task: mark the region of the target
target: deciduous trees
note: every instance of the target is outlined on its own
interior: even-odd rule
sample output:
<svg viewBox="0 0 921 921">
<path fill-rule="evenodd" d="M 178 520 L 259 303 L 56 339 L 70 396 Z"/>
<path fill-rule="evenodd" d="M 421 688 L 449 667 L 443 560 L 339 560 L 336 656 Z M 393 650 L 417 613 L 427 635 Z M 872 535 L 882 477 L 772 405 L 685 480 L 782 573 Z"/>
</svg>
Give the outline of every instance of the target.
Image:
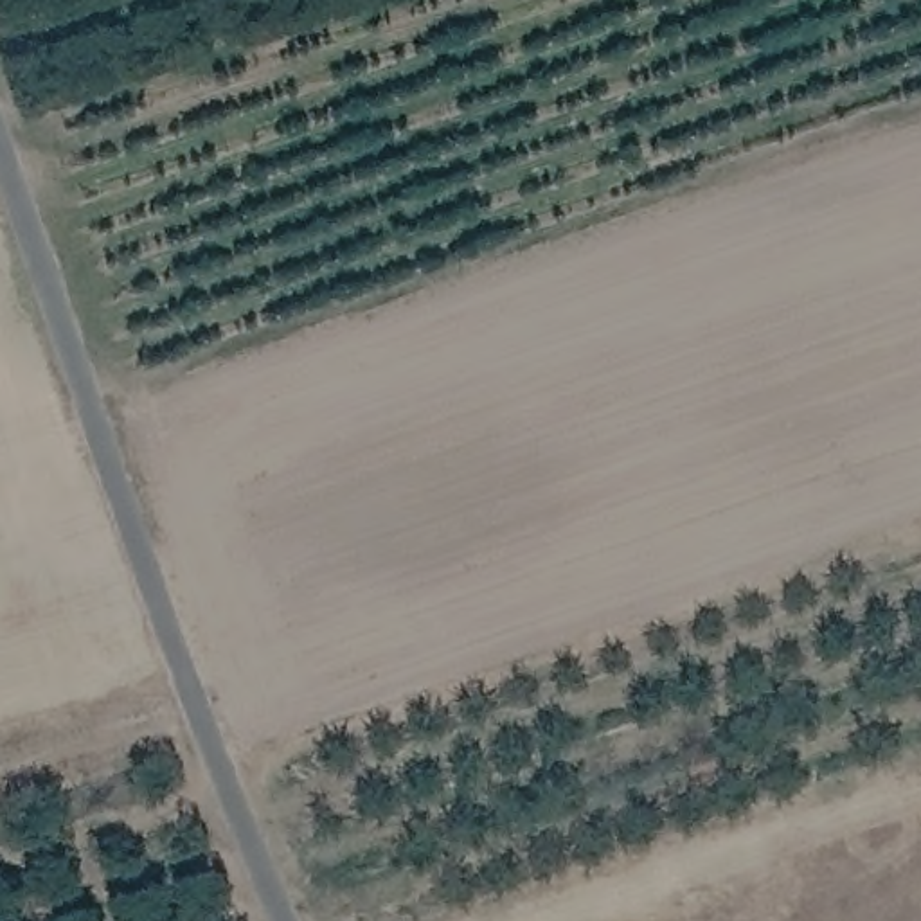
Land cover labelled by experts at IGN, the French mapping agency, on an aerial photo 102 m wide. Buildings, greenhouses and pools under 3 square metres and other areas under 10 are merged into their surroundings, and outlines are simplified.
<svg viewBox="0 0 921 921">
<path fill-rule="evenodd" d="M 176 112 L 169 119 L 169 130 L 176 133 L 191 122 L 291 94 L 299 90 L 299 83 L 284 76 L 248 94 L 216 97 L 187 112 Z"/>
<path fill-rule="evenodd" d="M 101 11 L 119 14 L 126 0 L 0 0 L 0 40 L 47 32 L 54 25 L 68 25 Z"/>
<path fill-rule="evenodd" d="M 756 626 L 770 615 L 766 597 L 748 590 L 738 597 L 738 619 L 745 626 Z"/>
<path fill-rule="evenodd" d="M 791 61 L 817 58 L 824 47 L 820 40 L 813 40 L 741 61 L 738 68 L 720 76 L 720 86 L 738 86 Z"/>
<path fill-rule="evenodd" d="M 845 43 L 871 40 L 881 29 L 896 29 L 910 18 L 921 18 L 921 0 L 892 0 L 889 14 L 871 14 L 867 22 L 842 29 Z"/>
<path fill-rule="evenodd" d="M 378 248 L 385 241 L 381 230 L 363 227 L 324 248 L 255 266 L 245 277 L 219 281 L 212 288 L 183 288 L 155 309 L 133 309 L 126 327 L 162 324 L 191 309 L 194 302 L 209 306 L 263 288 L 270 277 L 288 277 L 349 252 Z"/>
<path fill-rule="evenodd" d="M 392 216 L 392 227 L 428 230 L 443 227 L 461 209 L 489 205 L 489 194 L 461 191 L 421 212 Z"/>
<path fill-rule="evenodd" d="M 615 183 L 612 194 L 666 187 L 676 176 L 694 176 L 705 162 L 702 155 L 691 155 Z"/>
<path fill-rule="evenodd" d="M 640 155 L 637 133 L 622 133 L 597 155 L 597 165 L 630 162 Z"/>
<path fill-rule="evenodd" d="M 407 720 L 392 723 L 385 712 L 374 712 L 367 723 L 374 752 L 392 756 L 403 734 L 435 738 L 446 730 L 446 712 L 439 705 L 432 705 L 428 698 L 414 698 L 407 705 Z"/>
<path fill-rule="evenodd" d="M 601 40 L 597 47 L 568 50 L 561 58 L 518 65 L 514 72 L 504 72 L 486 86 L 461 90 L 457 104 L 475 104 L 511 86 L 550 79 L 586 61 L 615 58 L 619 50 L 648 43 L 644 32 L 622 29 L 622 7 L 630 0 L 572 0 L 572 14 L 525 29 L 522 47 L 558 40 L 561 32 L 572 32 L 590 18 L 604 25 L 608 40 Z"/>
<path fill-rule="evenodd" d="M 223 871 L 165 878 L 162 885 L 151 885 L 133 896 L 108 892 L 108 899 L 94 903 L 94 910 L 68 914 L 61 921 L 223 921 L 234 914 L 230 878 Z"/>
<path fill-rule="evenodd" d="M 201 245 L 194 252 L 176 252 L 169 263 L 180 273 L 191 266 L 209 266 L 216 259 L 245 255 L 248 248 L 263 248 L 291 234 L 313 230 L 324 219 L 335 223 L 356 212 L 371 212 L 396 198 L 410 198 L 425 183 L 475 176 L 529 151 L 579 140 L 590 130 L 586 122 L 579 122 L 543 130 L 532 140 L 518 140 L 507 148 L 489 148 L 478 158 L 457 158 L 439 169 L 417 169 L 381 191 L 345 198 L 338 205 L 313 205 L 295 219 L 281 219 L 259 234 L 241 234 L 230 245 Z"/>
<path fill-rule="evenodd" d="M 183 356 L 187 349 L 205 345 L 219 335 L 219 327 L 201 324 L 194 331 L 180 331 L 162 342 L 140 345 L 137 360 L 165 363 Z"/>
<path fill-rule="evenodd" d="M 601 115 L 601 130 L 698 97 L 694 86 L 680 86 L 662 97 L 622 101 L 619 108 Z"/>
<path fill-rule="evenodd" d="M 691 25 L 658 36 L 658 58 L 651 58 L 640 68 L 630 68 L 626 83 L 655 79 L 680 65 L 720 58 L 741 43 L 756 43 L 781 29 L 795 29 L 806 18 L 824 18 L 838 0 L 720 0 L 709 14 L 694 18 Z"/>
<path fill-rule="evenodd" d="M 288 317 L 299 309 L 327 306 L 331 299 L 353 299 L 374 284 L 403 281 L 414 270 L 432 270 L 496 248 L 511 234 L 536 227 L 536 212 L 486 219 L 457 234 L 450 245 L 428 245 L 414 255 L 396 255 L 381 266 L 345 270 L 313 281 L 302 291 L 266 302 L 266 317 Z"/>
<path fill-rule="evenodd" d="M 101 856 L 104 881 L 137 878 L 151 863 L 148 853 L 126 856 L 112 845 Z"/>
<path fill-rule="evenodd" d="M 529 694 L 540 691 L 532 673 L 511 673 L 496 687 L 471 680 L 457 691 L 457 698 L 468 720 L 482 720 L 496 705 L 525 705 Z"/>
<path fill-rule="evenodd" d="M 802 612 L 817 597 L 817 590 L 806 576 L 799 576 L 791 576 L 784 586 L 784 608 Z"/>
<path fill-rule="evenodd" d="M 356 741 L 349 730 L 338 730 L 327 730 L 317 745 L 324 766 L 342 773 L 356 759 Z"/>
<path fill-rule="evenodd" d="M 162 802 L 183 781 L 180 756 L 155 756 L 144 763 L 130 759 L 122 770 L 130 788 L 148 806 Z"/>
<path fill-rule="evenodd" d="M 863 565 L 849 558 L 831 561 L 827 583 L 831 594 L 842 597 L 856 590 Z"/>
<path fill-rule="evenodd" d="M 525 881 L 547 881 L 561 874 L 572 863 L 601 863 L 619 849 L 644 849 L 658 838 L 658 831 L 694 835 L 709 817 L 741 817 L 763 795 L 788 802 L 795 795 L 809 777 L 863 766 L 881 766 L 896 759 L 903 745 L 899 723 L 889 723 L 892 705 L 907 698 L 921 702 L 921 590 L 910 590 L 903 601 L 892 604 L 885 597 L 867 597 L 863 619 L 827 612 L 817 622 L 820 658 L 838 662 L 849 648 L 860 648 L 863 655 L 849 684 L 835 694 L 820 694 L 813 680 L 788 680 L 791 669 L 802 662 L 795 637 L 781 637 L 773 648 L 738 648 L 727 658 L 730 712 L 712 720 L 712 730 L 720 734 L 720 741 L 709 752 L 709 759 L 716 759 L 716 777 L 684 777 L 684 791 L 666 788 L 651 799 L 644 791 L 633 791 L 619 813 L 586 809 L 579 781 L 583 763 L 565 763 L 565 748 L 583 734 L 601 734 L 619 723 L 651 723 L 673 705 L 691 709 L 712 698 L 709 662 L 687 658 L 676 644 L 673 626 L 658 622 L 648 626 L 648 633 L 648 648 L 655 655 L 666 651 L 680 666 L 680 673 L 644 673 L 637 684 L 630 684 L 626 705 L 583 716 L 572 716 L 565 709 L 543 709 L 532 723 L 504 723 L 496 738 L 482 748 L 478 741 L 461 738 L 450 756 L 410 759 L 403 766 L 403 777 L 410 784 L 396 791 L 392 781 L 378 770 L 356 781 L 356 809 L 367 820 L 385 820 L 399 802 L 410 806 L 410 820 L 403 824 L 403 835 L 392 849 L 392 867 L 425 871 L 446 907 L 464 907 L 478 892 L 514 892 Z M 817 727 L 835 723 L 838 712 L 853 716 L 856 730 L 849 734 L 849 745 L 827 756 L 799 759 L 795 738 L 817 734 Z"/>
<path fill-rule="evenodd" d="M 586 680 L 579 658 L 558 655 L 554 666 L 558 687 L 579 691 Z"/>
<path fill-rule="evenodd" d="M 245 194 L 234 205 L 205 209 L 183 223 L 169 223 L 155 234 L 155 241 L 162 245 L 291 201 L 317 187 L 331 187 L 338 180 L 378 173 L 381 165 L 410 158 L 428 144 L 471 140 L 532 119 L 536 108 L 532 101 L 525 101 L 475 122 L 446 122 L 435 130 L 417 130 L 410 140 L 399 144 L 392 140 L 392 130 L 407 126 L 407 115 L 392 115 L 385 97 L 414 94 L 450 68 L 468 72 L 500 58 L 500 29 L 486 22 L 475 29 L 453 29 L 428 47 L 417 47 L 417 68 L 410 72 L 349 86 L 313 104 L 284 108 L 277 119 L 277 133 L 302 126 L 309 119 L 335 115 L 331 133 L 234 158 L 230 165 L 212 169 L 205 180 L 194 183 L 169 183 L 151 198 L 133 201 L 126 209 L 126 219 L 158 212 L 180 198 L 212 194 L 223 183 L 245 183 L 255 169 L 281 169 L 309 155 L 345 148 L 353 162 L 317 169 L 302 180 L 259 194 Z"/>
<path fill-rule="evenodd" d="M 18 112 L 43 115 L 47 108 L 76 104 L 79 112 L 68 119 L 72 130 L 144 104 L 148 79 L 165 76 L 173 54 L 205 43 L 209 36 L 241 36 L 248 47 L 284 40 L 281 54 L 291 58 L 324 43 L 335 18 L 356 14 L 363 29 L 378 29 L 381 22 L 389 22 L 399 0 L 151 0 L 130 29 L 97 29 L 90 36 L 76 36 L 25 58 L 4 58 L 4 76 Z"/>
<path fill-rule="evenodd" d="M 4 878 L 0 878 L 0 921 L 22 921 L 32 914 L 50 914 L 58 903 L 86 892 L 86 885 L 79 874 L 79 856 L 72 849 L 68 791 L 61 788 L 61 777 L 47 788 L 25 788 L 18 795 L 0 788 L 0 824 L 4 824 L 4 831 L 7 831 L 11 845 L 18 845 L 18 849 L 22 849 L 22 856 L 25 856 L 22 863 L 14 863 L 14 867 L 18 867 L 18 878 L 11 878 L 11 881 L 4 881 Z"/>
<path fill-rule="evenodd" d="M 813 72 L 795 86 L 781 86 L 756 101 L 712 108 L 698 119 L 666 126 L 651 137 L 651 148 L 669 148 L 676 140 L 723 130 L 727 122 L 748 119 L 784 101 L 802 101 L 824 94 L 827 86 L 842 86 L 921 58 L 921 43 L 874 54 L 845 68 Z"/>
<path fill-rule="evenodd" d="M 698 640 L 720 640 L 720 608 L 705 604 L 691 619 Z"/>
</svg>

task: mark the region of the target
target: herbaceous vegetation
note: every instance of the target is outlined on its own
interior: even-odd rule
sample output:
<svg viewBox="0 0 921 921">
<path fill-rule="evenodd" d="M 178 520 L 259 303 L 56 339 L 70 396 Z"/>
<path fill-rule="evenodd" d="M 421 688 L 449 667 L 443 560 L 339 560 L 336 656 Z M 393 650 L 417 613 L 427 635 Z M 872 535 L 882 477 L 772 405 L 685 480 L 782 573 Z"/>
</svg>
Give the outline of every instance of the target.
<svg viewBox="0 0 921 921">
<path fill-rule="evenodd" d="M 140 464 L 130 464 L 122 471 L 126 493 L 133 500 L 148 543 L 158 536 L 158 522 L 148 500 L 148 478 Z"/>
<path fill-rule="evenodd" d="M 809 777 L 795 795 L 802 806 L 845 799 L 856 791 L 856 773 L 863 766 Z"/>
<path fill-rule="evenodd" d="M 899 723 L 903 745 L 896 759 L 903 770 L 921 773 L 921 702 L 907 698 L 892 705 L 889 723 Z"/>
<path fill-rule="evenodd" d="M 144 763 L 155 756 L 180 756 L 183 781 L 162 802 L 148 806 L 130 788 L 122 770 L 130 759 Z M 216 795 L 216 784 L 209 777 L 173 669 L 165 662 L 151 676 L 112 687 L 101 698 L 65 702 L 0 720 L 0 788 L 18 795 L 25 788 L 47 788 L 61 777 L 61 788 L 68 791 L 72 849 L 79 856 L 79 874 L 86 885 L 86 892 L 58 903 L 50 914 L 32 914 L 22 921 L 61 921 L 68 914 L 94 910 L 94 903 L 108 899 L 108 892 L 133 896 L 151 885 L 162 885 L 165 878 L 223 871 L 230 878 L 234 914 L 223 921 L 270 921 L 245 867 L 245 856 L 237 849 L 237 838 L 230 831 L 230 820 L 223 813 L 223 802 Z M 137 878 L 104 881 L 101 856 L 112 845 L 126 856 L 148 853 L 151 863 Z"/>
<path fill-rule="evenodd" d="M 349 716 L 338 730 L 349 730 L 356 741 L 356 759 L 342 773 L 324 766 L 317 745 L 284 759 L 281 773 L 266 788 L 252 784 L 245 795 L 245 806 L 255 820 L 255 831 L 266 845 L 266 856 L 277 871 L 277 881 L 288 896 L 295 921 L 453 921 L 464 907 L 446 907 L 425 871 L 392 867 L 392 849 L 403 835 L 403 824 L 410 820 L 410 806 L 399 802 L 385 820 L 367 820 L 356 809 L 356 781 L 378 770 L 392 781 L 396 791 L 410 784 L 403 777 L 403 766 L 410 759 L 450 756 L 461 738 L 478 741 L 482 748 L 496 738 L 504 723 L 532 723 L 543 709 L 565 709 L 572 716 L 583 716 L 626 705 L 630 684 L 637 684 L 644 673 L 680 673 L 680 666 L 666 651 L 655 655 L 648 648 L 648 633 L 637 633 L 626 644 L 612 640 L 601 651 L 579 658 L 586 680 L 579 691 L 558 687 L 554 666 L 532 673 L 540 691 L 529 694 L 525 705 L 496 705 L 482 720 L 468 720 L 457 698 L 439 705 L 446 712 L 446 730 L 435 738 L 403 734 L 392 756 L 374 752 L 367 723 L 363 716 Z"/>
<path fill-rule="evenodd" d="M 720 903 L 702 907 L 694 917 L 662 921 L 921 921 L 921 817 L 849 831 L 831 845 L 795 853 L 795 874 L 788 881 L 770 885 L 766 878 L 756 878 L 745 881 L 738 892 L 723 892 Z"/>
<path fill-rule="evenodd" d="M 0 824 L 0 878 L 4 878 L 4 881 L 11 881 L 11 878 L 18 878 L 18 867 L 14 867 L 14 863 L 22 863 L 25 856 L 22 856 L 22 849 L 18 849 L 18 845 L 11 845 L 7 831 L 4 831 L 4 824 Z"/>
<path fill-rule="evenodd" d="M 795 738 L 799 759 L 827 756 L 849 745 L 849 734 L 856 730 L 853 716 L 838 712 L 835 723 L 817 727 L 817 734 Z"/>
<path fill-rule="evenodd" d="M 630 0 L 622 7 L 622 29 L 644 32 L 648 43 L 619 50 L 615 58 L 586 61 L 550 79 L 511 86 L 475 104 L 457 104 L 461 90 L 486 86 L 504 72 L 514 72 L 518 65 L 561 58 L 568 50 L 597 47 L 601 40 L 608 40 L 604 25 L 590 18 L 572 32 L 561 32 L 558 40 L 522 47 L 525 29 L 572 14 L 572 0 L 399 0 L 389 22 L 381 22 L 378 29 L 363 29 L 356 14 L 335 18 L 324 43 L 291 58 L 281 54 L 284 40 L 248 47 L 241 36 L 209 36 L 205 43 L 173 54 L 165 76 L 148 79 L 144 104 L 72 130 L 68 119 L 79 112 L 76 104 L 47 108 L 43 115 L 18 112 L 4 76 L 4 58 L 25 58 L 76 36 L 90 36 L 97 29 L 130 29 L 151 0 L 126 0 L 119 14 L 101 11 L 68 25 L 54 25 L 47 32 L 0 40 L 0 119 L 18 173 L 25 180 L 36 227 L 54 263 L 58 288 L 115 453 L 130 443 L 122 407 L 133 392 L 173 389 L 201 363 L 234 360 L 241 353 L 263 349 L 302 327 L 320 324 L 324 317 L 389 306 L 403 295 L 421 291 L 432 281 L 432 270 L 414 270 L 403 281 L 374 284 L 353 299 L 331 299 L 327 306 L 299 309 L 288 317 L 266 317 L 266 302 L 302 291 L 313 281 L 345 270 L 381 266 L 396 255 L 414 255 L 428 245 L 450 245 L 457 234 L 486 219 L 536 212 L 536 227 L 511 234 L 496 248 L 525 252 L 532 245 L 561 241 L 568 234 L 586 234 L 601 223 L 658 205 L 666 191 L 694 194 L 745 176 L 795 169 L 817 158 L 824 144 L 853 140 L 863 130 L 921 119 L 921 58 L 842 86 L 827 86 L 824 94 L 802 101 L 784 101 L 748 119 L 727 122 L 723 130 L 676 140 L 669 148 L 651 148 L 651 137 L 666 126 L 698 119 L 712 108 L 756 101 L 781 86 L 795 86 L 813 72 L 845 68 L 874 54 L 921 43 L 921 18 L 910 18 L 896 29 L 881 29 L 871 40 L 845 43 L 842 29 L 867 22 L 871 14 L 889 14 L 892 0 L 838 0 L 824 18 L 806 18 L 795 29 L 781 29 L 756 43 L 741 43 L 720 58 L 680 65 L 655 79 L 626 83 L 630 68 L 640 68 L 651 58 L 658 58 L 658 36 L 691 25 L 694 18 L 709 14 L 720 0 Z M 335 115 L 309 119 L 302 126 L 277 133 L 277 119 L 284 108 L 313 104 L 349 86 L 410 72 L 417 68 L 417 47 L 428 47 L 453 29 L 475 29 L 486 22 L 500 29 L 500 58 L 468 72 L 450 68 L 414 94 L 385 97 L 392 115 L 407 115 L 407 126 L 392 130 L 392 140 L 399 144 L 410 140 L 417 130 L 435 130 L 446 122 L 475 122 L 525 101 L 532 101 L 536 108 L 532 119 L 471 140 L 428 144 L 410 158 L 381 165 L 378 173 L 338 180 L 331 187 L 317 187 L 291 201 L 162 245 L 155 241 L 155 234 L 169 223 L 183 223 L 205 209 L 234 205 L 245 194 L 259 194 L 302 180 L 317 169 L 353 162 L 345 148 L 309 155 L 281 169 L 255 169 L 245 183 L 223 183 L 212 194 L 180 198 L 158 212 L 126 219 L 126 209 L 133 201 L 151 198 L 169 183 L 194 183 L 205 180 L 212 169 L 230 165 L 234 158 L 331 133 Z M 817 58 L 791 61 L 738 86 L 720 86 L 720 76 L 738 68 L 741 61 L 813 40 L 820 40 L 824 47 Z M 187 112 L 216 97 L 248 94 L 284 76 L 299 83 L 299 90 L 291 94 L 191 122 L 176 133 L 169 130 L 169 119 L 176 112 Z M 698 97 L 601 130 L 601 115 L 619 108 L 622 101 L 662 97 L 680 86 L 694 86 Z M 194 252 L 201 245 L 230 245 L 241 234 L 259 234 L 281 219 L 295 219 L 313 205 L 338 205 L 345 198 L 381 191 L 417 169 L 439 169 L 457 158 L 478 158 L 489 148 L 507 148 L 518 140 L 532 140 L 543 130 L 579 122 L 586 122 L 590 130 L 579 140 L 529 151 L 475 176 L 425 183 L 410 198 L 396 198 L 371 212 L 356 212 L 335 223 L 324 219 L 313 230 L 291 234 L 263 248 L 248 248 L 245 255 L 216 259 L 209 266 L 191 266 L 180 273 L 169 263 L 176 252 Z M 637 133 L 640 155 L 630 162 L 597 165 L 597 155 L 622 133 Z M 702 155 L 705 162 L 694 176 L 676 176 L 666 187 L 612 194 L 615 183 L 691 155 Z M 489 194 L 489 205 L 461 209 L 443 227 L 428 230 L 392 227 L 392 216 L 421 212 L 461 191 Z M 381 230 L 385 241 L 378 248 L 349 252 L 288 277 L 270 277 L 263 288 L 209 306 L 194 302 L 191 309 L 162 324 L 126 327 L 133 309 L 155 309 L 183 288 L 212 288 L 219 281 L 245 277 L 255 266 L 324 248 L 363 227 Z M 140 345 L 162 342 L 180 331 L 194 331 L 201 324 L 219 327 L 219 335 L 205 345 L 187 349 L 183 356 L 165 363 L 137 360 Z"/>
<path fill-rule="evenodd" d="M 583 734 L 565 748 L 565 763 L 583 763 L 579 781 L 586 809 L 619 813 L 633 791 L 644 791 L 651 799 L 666 788 L 684 791 L 684 777 L 716 777 L 716 759 L 709 759 L 709 752 L 720 741 L 720 734 L 712 730 L 712 720 L 730 712 L 727 658 L 738 648 L 773 648 L 781 637 L 795 637 L 802 662 L 791 669 L 788 680 L 813 680 L 820 694 L 835 694 L 849 684 L 863 655 L 860 648 L 849 648 L 838 662 L 820 658 L 817 622 L 827 612 L 863 619 L 867 597 L 885 597 L 892 604 L 903 601 L 910 590 L 921 590 L 921 550 L 899 561 L 871 558 L 863 565 L 856 590 L 842 597 L 831 594 L 827 583 L 831 561 L 817 554 L 799 568 L 799 576 L 806 576 L 817 590 L 817 597 L 802 612 L 784 608 L 784 586 L 770 590 L 766 597 L 770 615 L 756 626 L 745 626 L 738 619 L 738 597 L 723 601 L 720 608 L 720 640 L 698 640 L 691 619 L 673 626 L 676 644 L 687 658 L 709 662 L 712 698 L 691 709 L 673 705 L 651 723 L 619 723 L 601 734 Z"/>
</svg>

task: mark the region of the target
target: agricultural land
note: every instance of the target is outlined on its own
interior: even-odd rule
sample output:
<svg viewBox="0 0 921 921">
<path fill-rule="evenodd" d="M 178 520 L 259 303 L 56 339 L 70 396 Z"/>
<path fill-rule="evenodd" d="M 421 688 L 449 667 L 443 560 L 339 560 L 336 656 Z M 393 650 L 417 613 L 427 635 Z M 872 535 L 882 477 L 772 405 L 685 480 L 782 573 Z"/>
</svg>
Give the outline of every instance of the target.
<svg viewBox="0 0 921 921">
<path fill-rule="evenodd" d="M 29 317 L 25 309 L 18 309 L 11 263 L 22 241 L 11 227 L 11 216 L 0 212 L 0 720 L 65 702 L 101 698 L 112 687 L 151 676 L 165 662 L 155 626 L 144 612 L 133 568 L 119 543 L 112 507 L 101 489 L 101 475 L 83 435 L 76 396 L 61 396 L 61 381 L 47 363 L 47 345 L 54 342 L 54 335 L 47 338 L 36 327 L 43 317 Z"/>
<path fill-rule="evenodd" d="M 568 234 L 561 241 L 532 245 L 525 252 L 496 248 L 432 270 L 432 281 L 421 291 L 403 295 L 389 306 L 324 317 L 320 324 L 302 327 L 263 349 L 241 353 L 234 360 L 201 363 L 173 389 L 133 392 L 122 407 L 130 443 L 115 453 L 122 471 L 130 464 L 140 464 L 148 478 L 148 500 L 158 522 L 158 536 L 148 543 L 158 561 L 183 648 L 201 680 L 205 705 L 216 720 L 223 752 L 245 795 L 252 784 L 266 788 L 281 773 L 284 759 L 317 745 L 327 730 L 338 730 L 349 716 L 363 716 L 367 723 L 374 712 L 385 712 L 392 723 L 407 720 L 407 705 L 414 698 L 428 698 L 432 705 L 439 705 L 457 698 L 457 691 L 471 680 L 496 687 L 511 673 L 532 673 L 554 666 L 558 655 L 579 658 L 601 651 L 612 640 L 626 644 L 637 633 L 648 633 L 648 626 L 658 622 L 673 626 L 691 619 L 705 604 L 720 608 L 723 601 L 738 597 L 748 590 L 766 597 L 770 590 L 784 586 L 791 576 L 799 576 L 799 568 L 817 554 L 831 561 L 849 558 L 863 565 L 871 558 L 899 561 L 921 550 L 921 119 L 863 130 L 853 140 L 824 144 L 817 158 L 795 169 L 745 176 L 694 194 L 666 191 L 658 205 L 601 223 L 586 234 Z"/>
</svg>

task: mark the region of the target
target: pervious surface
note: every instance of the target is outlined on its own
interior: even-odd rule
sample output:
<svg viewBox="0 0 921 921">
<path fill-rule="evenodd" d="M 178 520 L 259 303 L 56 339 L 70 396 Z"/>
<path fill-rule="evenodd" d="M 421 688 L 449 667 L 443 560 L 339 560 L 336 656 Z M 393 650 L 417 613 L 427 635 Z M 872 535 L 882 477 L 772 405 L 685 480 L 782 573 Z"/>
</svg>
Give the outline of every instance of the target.
<svg viewBox="0 0 921 921">
<path fill-rule="evenodd" d="M 795 874 L 795 853 L 831 845 L 849 831 L 921 817 L 921 773 L 903 770 L 896 759 L 881 766 L 863 766 L 856 773 L 856 791 L 845 799 L 802 806 L 795 795 L 788 802 L 763 795 L 741 817 L 709 817 L 694 835 L 658 831 L 658 838 L 644 849 L 619 849 L 601 863 L 572 863 L 561 874 L 547 881 L 525 881 L 514 892 L 478 892 L 464 907 L 453 921 L 662 921 L 694 917 L 702 907 L 720 903 L 723 892 L 738 892 L 745 881 L 756 878 L 766 878 L 770 885 L 788 881 Z"/>
</svg>

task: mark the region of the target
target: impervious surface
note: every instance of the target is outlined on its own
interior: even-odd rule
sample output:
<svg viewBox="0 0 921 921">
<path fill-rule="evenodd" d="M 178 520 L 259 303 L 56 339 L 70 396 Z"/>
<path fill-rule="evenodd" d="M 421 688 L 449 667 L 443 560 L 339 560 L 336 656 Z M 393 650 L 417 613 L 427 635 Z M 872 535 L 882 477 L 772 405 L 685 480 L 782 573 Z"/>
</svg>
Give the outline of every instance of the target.
<svg viewBox="0 0 921 921">
<path fill-rule="evenodd" d="M 223 802 L 223 813 L 230 820 L 230 831 L 237 838 L 237 849 L 245 856 L 245 867 L 270 921 L 295 921 L 288 896 L 277 881 L 277 871 L 266 856 L 266 845 L 255 831 L 255 820 L 245 806 L 245 795 L 223 752 L 216 720 L 205 705 L 201 680 L 183 648 L 158 561 L 148 543 L 133 500 L 126 493 L 122 471 L 115 453 L 58 288 L 54 263 L 36 227 L 25 180 L 18 173 L 0 119 L 0 212 L 11 216 L 11 227 L 22 241 L 11 263 L 18 309 L 25 309 L 29 317 L 43 317 L 36 327 L 47 338 L 54 335 L 54 342 L 47 345 L 47 363 L 61 381 L 61 396 L 76 396 L 83 435 L 101 475 L 101 489 L 112 507 L 119 543 L 133 568 L 144 612 L 155 626 L 165 662 L 173 669 L 209 777 L 216 784 L 216 795 Z"/>
</svg>

